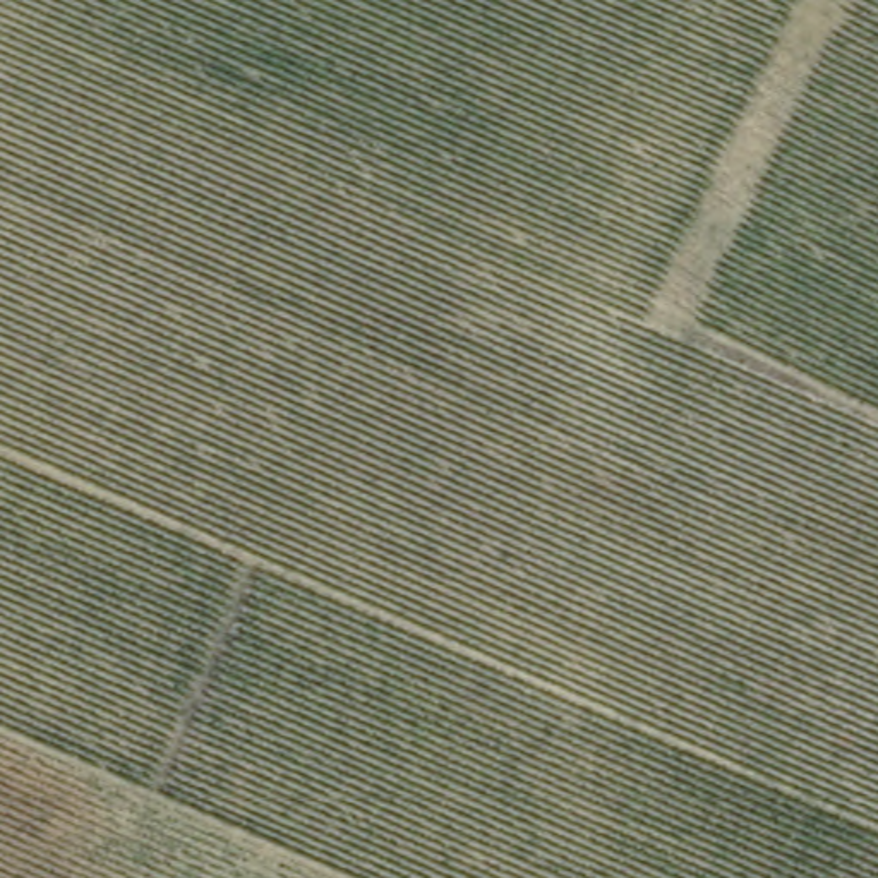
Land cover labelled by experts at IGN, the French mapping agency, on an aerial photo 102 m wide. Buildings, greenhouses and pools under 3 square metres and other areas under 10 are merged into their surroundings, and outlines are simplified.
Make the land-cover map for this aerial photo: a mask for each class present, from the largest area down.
<instances>
[{"label":"vineyard","instance_id":"1","mask_svg":"<svg viewBox=\"0 0 878 878\"><path fill-rule=\"evenodd\" d=\"M0 878H878V0H0Z\"/></svg>","mask_w":878,"mask_h":878}]
</instances>
